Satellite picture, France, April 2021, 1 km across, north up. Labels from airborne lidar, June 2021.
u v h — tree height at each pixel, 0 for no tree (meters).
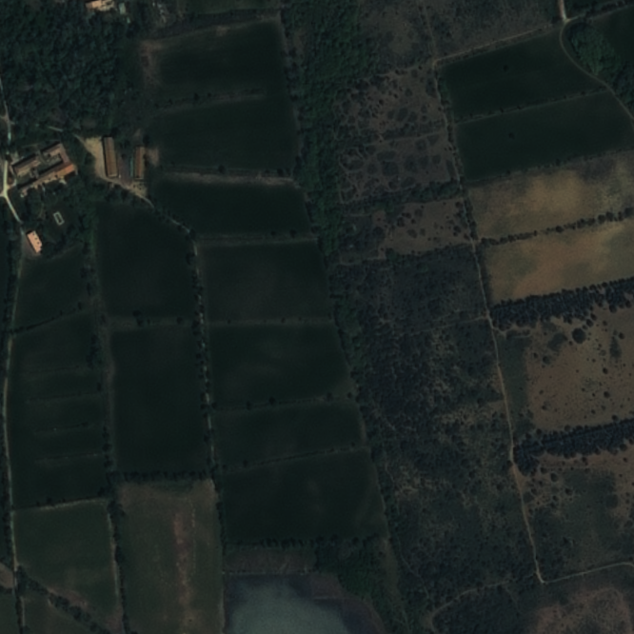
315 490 0
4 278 0
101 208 0
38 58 16
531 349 0
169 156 0
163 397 0
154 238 0
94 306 0
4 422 12
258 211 0
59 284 0
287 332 0
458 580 6
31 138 15
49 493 0
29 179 0
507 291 0
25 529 0
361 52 8
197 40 0
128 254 0
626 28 0
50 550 0
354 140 6
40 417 0
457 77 0
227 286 0
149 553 0
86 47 15
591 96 0
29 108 19
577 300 10
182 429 0
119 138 18
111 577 0
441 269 0
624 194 0
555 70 0
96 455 0
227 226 0
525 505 0
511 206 0
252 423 0
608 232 0
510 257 0
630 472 0
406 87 0
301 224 0
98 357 16
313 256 0
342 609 0
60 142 8
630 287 8
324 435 0
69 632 0
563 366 0
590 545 0
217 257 0
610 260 0
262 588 0
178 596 0
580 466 0
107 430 9
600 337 0
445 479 0
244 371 0
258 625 0
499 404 0
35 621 0
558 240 0
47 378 0
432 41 10
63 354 0
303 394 0
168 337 0
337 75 9
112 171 0
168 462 0
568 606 0
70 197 16
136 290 0
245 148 0
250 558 0
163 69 0
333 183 7
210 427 0
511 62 0
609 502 0
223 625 0
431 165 0
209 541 0
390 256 10
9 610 0
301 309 0
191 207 0
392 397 6
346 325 17
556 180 0
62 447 0
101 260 0
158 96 0
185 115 0
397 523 10
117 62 13
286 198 0
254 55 0
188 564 0
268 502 0
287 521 0
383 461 14
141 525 0
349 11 11
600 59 16
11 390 0
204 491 0
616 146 0
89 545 0
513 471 0
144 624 0
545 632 0
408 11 0
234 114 0
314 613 0
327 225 15
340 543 19
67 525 0
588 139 0
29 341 0
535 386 0
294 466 0
